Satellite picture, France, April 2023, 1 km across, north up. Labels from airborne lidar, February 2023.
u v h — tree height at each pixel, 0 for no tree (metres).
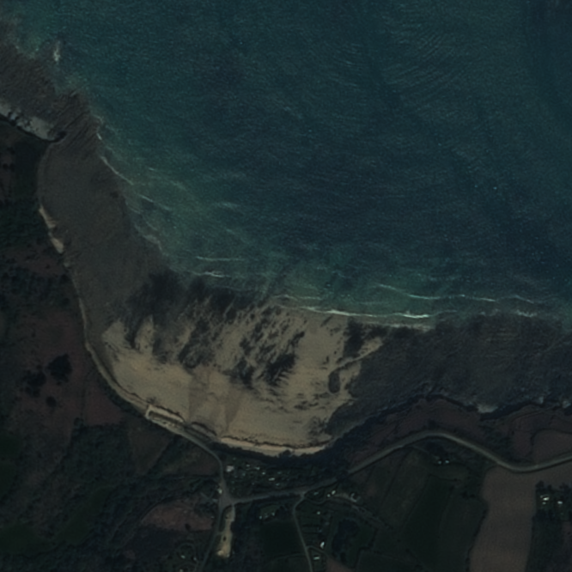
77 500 13
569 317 0
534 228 0
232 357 0
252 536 10
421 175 0
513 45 0
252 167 0
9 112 0
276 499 9
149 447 0
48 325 0
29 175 0
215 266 0
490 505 0
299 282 0
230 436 0
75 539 0
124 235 0
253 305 0
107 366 0
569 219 0
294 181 0
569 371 0
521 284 0
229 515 0
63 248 0
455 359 0
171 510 0
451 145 0
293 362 0
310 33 0
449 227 0
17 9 0
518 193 0
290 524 0
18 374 0
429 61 0
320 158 0
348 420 0
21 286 8
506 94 0
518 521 0
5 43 0
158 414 0
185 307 0
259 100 0
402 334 0
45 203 0
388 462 0
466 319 0
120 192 0
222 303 0
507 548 0
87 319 0
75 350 0
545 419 0
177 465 0
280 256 0
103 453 10
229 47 0
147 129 0
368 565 0
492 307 0
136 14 0
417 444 0
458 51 0
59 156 0
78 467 10
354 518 11
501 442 6
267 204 0
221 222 0
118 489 9
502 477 0
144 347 0
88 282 0
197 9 0
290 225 0
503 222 0
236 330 0
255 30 0
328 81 0
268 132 0
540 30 0
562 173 0
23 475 11
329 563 0
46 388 0
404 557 0
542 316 0
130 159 0
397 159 0
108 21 0
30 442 8
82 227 0
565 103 0
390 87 0
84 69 0
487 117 0
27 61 0
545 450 0
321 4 0
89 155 0
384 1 0
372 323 0
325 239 0
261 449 0
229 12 0
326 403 0
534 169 0
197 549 8
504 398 0
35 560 7
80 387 0
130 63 0
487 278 0
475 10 0
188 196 0
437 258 0
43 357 0
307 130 0
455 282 0
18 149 0
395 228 0
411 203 0
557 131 0
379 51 0
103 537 14
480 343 0
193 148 0
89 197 0
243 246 0
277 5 0
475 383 0
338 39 0
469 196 0
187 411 0
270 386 0
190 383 0
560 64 0
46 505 7
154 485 10
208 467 0
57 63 0
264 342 0
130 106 0
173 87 0
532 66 0
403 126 0
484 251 0
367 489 0
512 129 0
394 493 0
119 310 0
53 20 0
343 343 0
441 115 0
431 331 0
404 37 0
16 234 7
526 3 0
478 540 0
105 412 0
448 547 0
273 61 0
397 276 0
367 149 0
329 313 0
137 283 0
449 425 0
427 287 0
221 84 0
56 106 0
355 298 0
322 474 10
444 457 6
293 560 0
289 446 0
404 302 0
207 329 0
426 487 0
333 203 0
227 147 0
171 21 0
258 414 0
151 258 0
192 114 0
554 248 0
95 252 0
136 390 0
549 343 0
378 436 0
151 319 0
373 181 0
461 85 0
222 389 0
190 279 0
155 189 0
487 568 0
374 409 0
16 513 13
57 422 0
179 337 0
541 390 0
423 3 0
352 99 0
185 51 0
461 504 0
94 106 0
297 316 0
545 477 0
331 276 0
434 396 0
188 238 0
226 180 0
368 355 0
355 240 0
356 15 0
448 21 0
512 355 0
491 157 0
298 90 0
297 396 0
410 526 0
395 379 0
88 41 0
